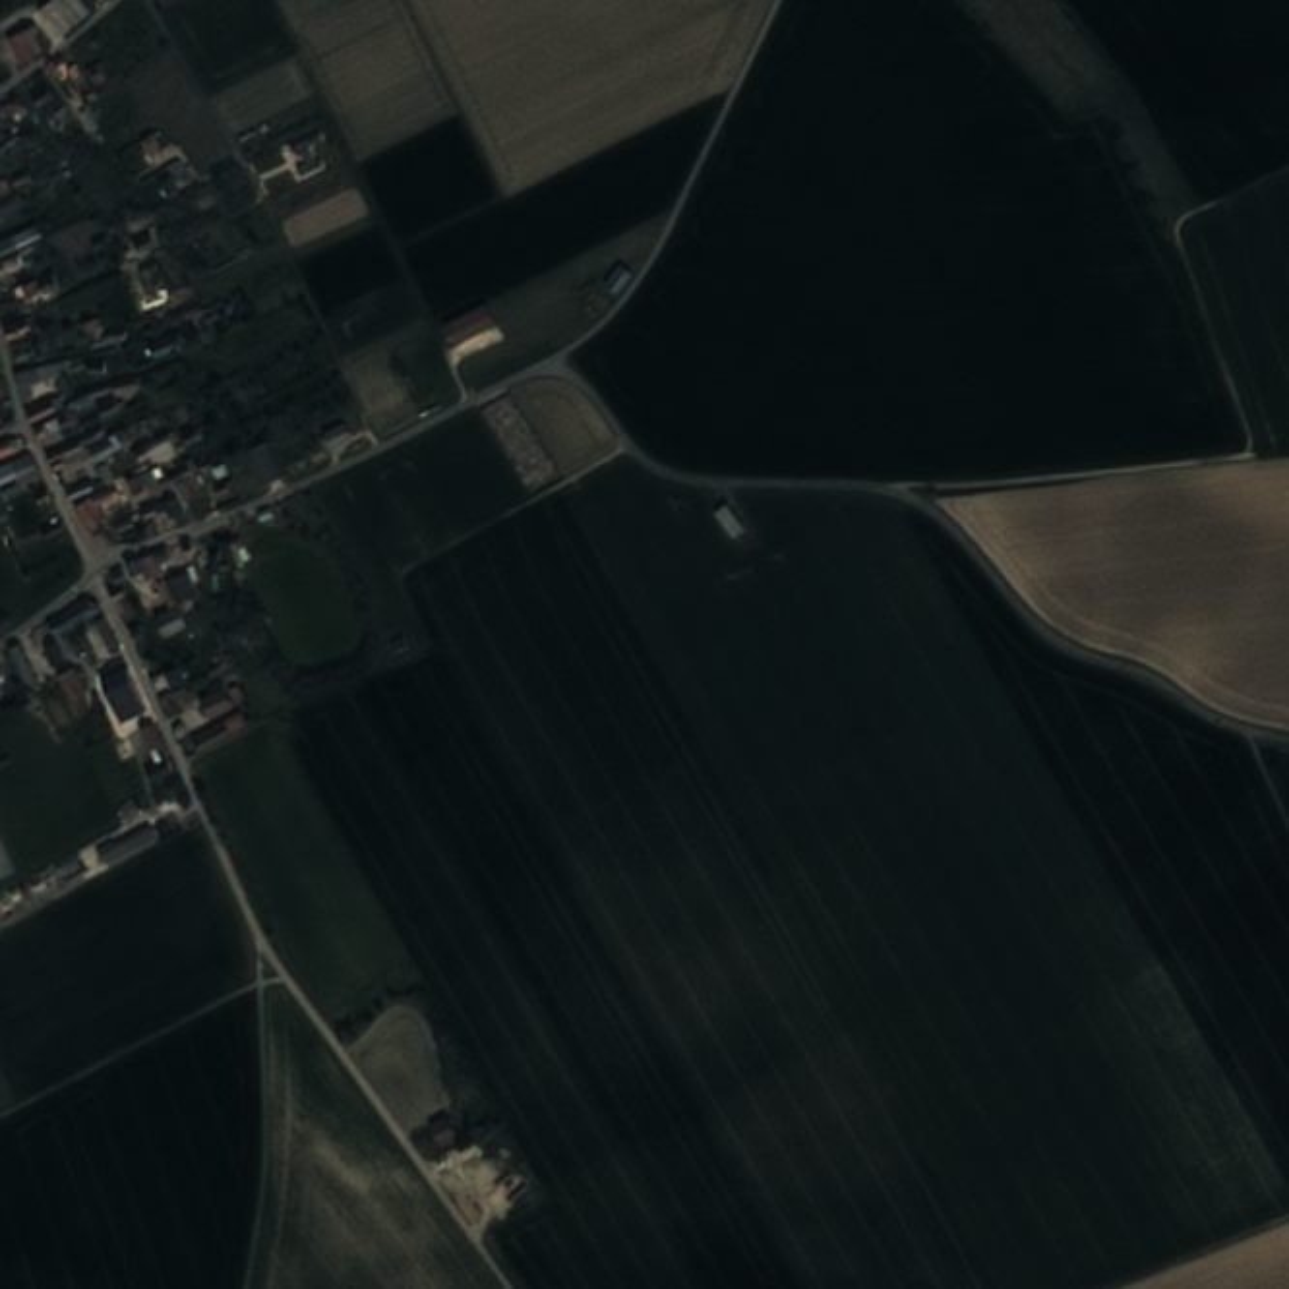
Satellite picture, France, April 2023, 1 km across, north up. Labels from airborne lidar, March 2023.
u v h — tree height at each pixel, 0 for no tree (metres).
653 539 0
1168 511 0
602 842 0
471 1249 0
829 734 0
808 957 0
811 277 0
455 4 0
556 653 0
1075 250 0
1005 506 0
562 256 0
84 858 0
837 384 0
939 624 0
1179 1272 0
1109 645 0
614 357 0
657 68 0
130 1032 0
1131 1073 0
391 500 0
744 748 0
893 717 0
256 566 0
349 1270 0
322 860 0
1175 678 0
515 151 0
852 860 0
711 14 0
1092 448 0
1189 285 0
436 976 0
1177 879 0
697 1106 0
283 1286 0
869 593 0
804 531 0
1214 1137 0
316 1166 0
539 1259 0
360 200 0
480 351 0
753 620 0
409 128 0
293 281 0
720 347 0
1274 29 0
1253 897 0
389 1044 0
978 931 0
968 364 0
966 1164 0
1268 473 0
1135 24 0
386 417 0
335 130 0
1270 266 0
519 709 0
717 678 0
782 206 0
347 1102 0
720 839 0
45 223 5
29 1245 0
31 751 0
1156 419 0
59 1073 0
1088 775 0
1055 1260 0
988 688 0
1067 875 0
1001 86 0
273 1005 0
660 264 0
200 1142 0
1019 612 0
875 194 0
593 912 0
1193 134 0
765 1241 0
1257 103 0
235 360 0
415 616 0
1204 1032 0
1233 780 0
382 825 0
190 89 0
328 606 0
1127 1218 0
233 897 0
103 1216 0
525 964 0
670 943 0
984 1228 0
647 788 0
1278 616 0
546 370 0
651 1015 0
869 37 0
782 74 0
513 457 0
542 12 0
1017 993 0
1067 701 0
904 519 0
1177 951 0
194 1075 0
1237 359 0
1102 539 0
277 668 14
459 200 0
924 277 0
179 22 0
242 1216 0
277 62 0
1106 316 0
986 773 0
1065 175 0
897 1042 0
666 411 0
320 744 0
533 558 0
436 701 0
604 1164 0
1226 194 0
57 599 0
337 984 0
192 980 0
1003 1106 0
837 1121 0
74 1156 0
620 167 0
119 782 0
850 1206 0
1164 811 0
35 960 0
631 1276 0
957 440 0
